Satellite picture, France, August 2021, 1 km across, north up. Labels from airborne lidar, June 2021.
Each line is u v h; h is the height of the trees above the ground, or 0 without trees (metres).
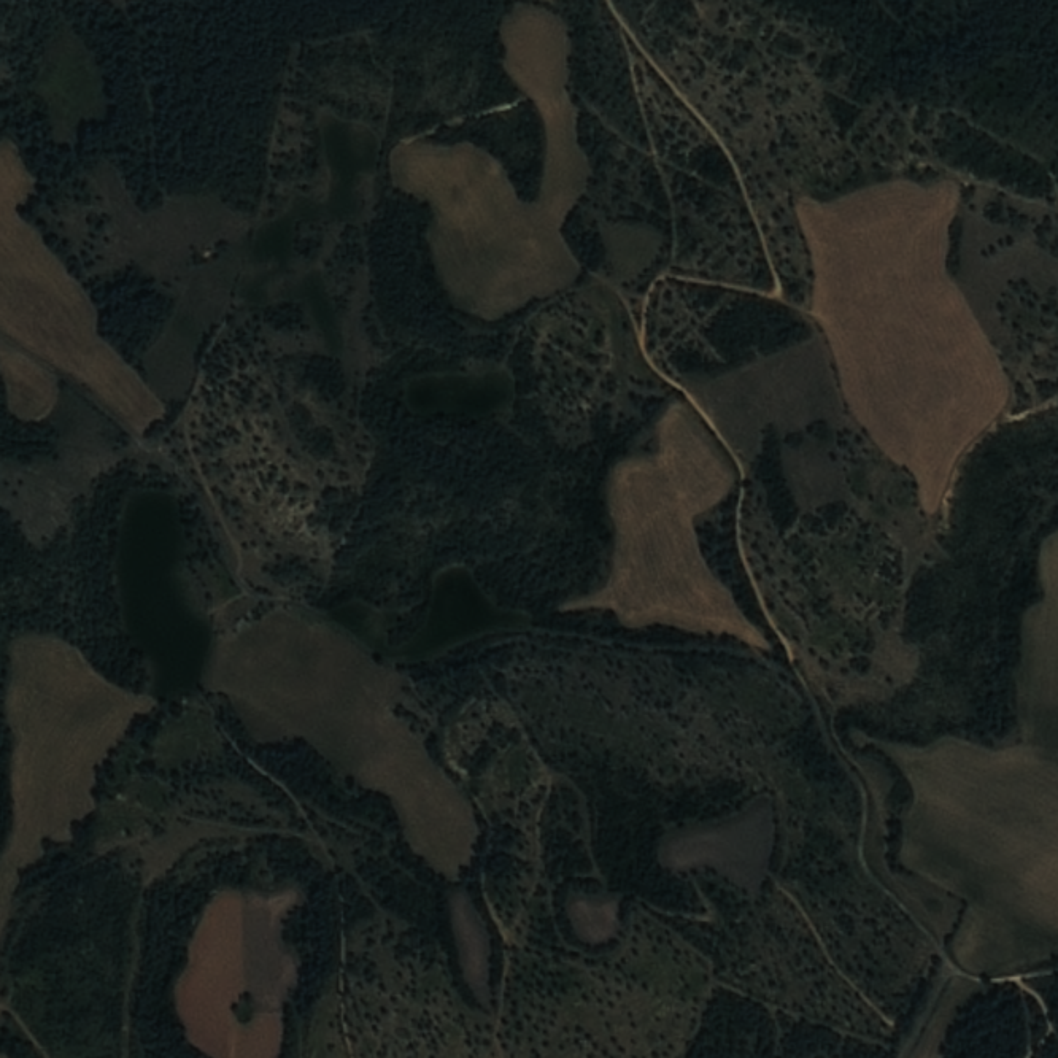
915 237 0
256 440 6
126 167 10
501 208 0
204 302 0
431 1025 9
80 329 0
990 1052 13
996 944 0
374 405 6
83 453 0
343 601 11
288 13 11
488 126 6
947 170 0
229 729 8
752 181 9
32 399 0
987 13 10
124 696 0
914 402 0
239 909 0
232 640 0
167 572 0
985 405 0
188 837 0
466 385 0
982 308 0
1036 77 9
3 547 8
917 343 0
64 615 7
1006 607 6
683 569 0
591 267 8
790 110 0
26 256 0
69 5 12
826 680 0
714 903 7
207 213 0
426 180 0
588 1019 0
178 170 8
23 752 0
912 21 8
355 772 0
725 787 6
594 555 5
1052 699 0
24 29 7
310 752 9
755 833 0
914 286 0
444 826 0
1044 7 12
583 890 7
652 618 0
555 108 0
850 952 0
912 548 0
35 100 10
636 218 6
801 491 0
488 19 9
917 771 0
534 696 0
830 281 0
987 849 0
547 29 0
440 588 0
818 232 0
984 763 0
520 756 0
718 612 0
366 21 13
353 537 8
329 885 12
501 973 7
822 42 7
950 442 0
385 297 6
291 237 0
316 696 0
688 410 0
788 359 0
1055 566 0
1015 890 0
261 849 7
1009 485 6
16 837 0
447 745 0
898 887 0
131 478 11
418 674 7
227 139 10
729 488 0
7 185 0
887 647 0
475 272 0
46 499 0
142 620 0
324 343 0
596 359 6
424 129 8
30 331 0
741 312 6
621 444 7
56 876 7
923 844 0
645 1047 0
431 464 7
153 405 0
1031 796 0
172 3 7
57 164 16
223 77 12
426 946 6
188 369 0
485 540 10
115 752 6
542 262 0
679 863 0
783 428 0
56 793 0
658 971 0
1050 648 0
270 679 0
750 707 0
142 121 15
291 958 0
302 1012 11
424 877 10
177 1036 12
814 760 11
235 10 7
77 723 0
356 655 0
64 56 0
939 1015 0
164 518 0
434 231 0
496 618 0
